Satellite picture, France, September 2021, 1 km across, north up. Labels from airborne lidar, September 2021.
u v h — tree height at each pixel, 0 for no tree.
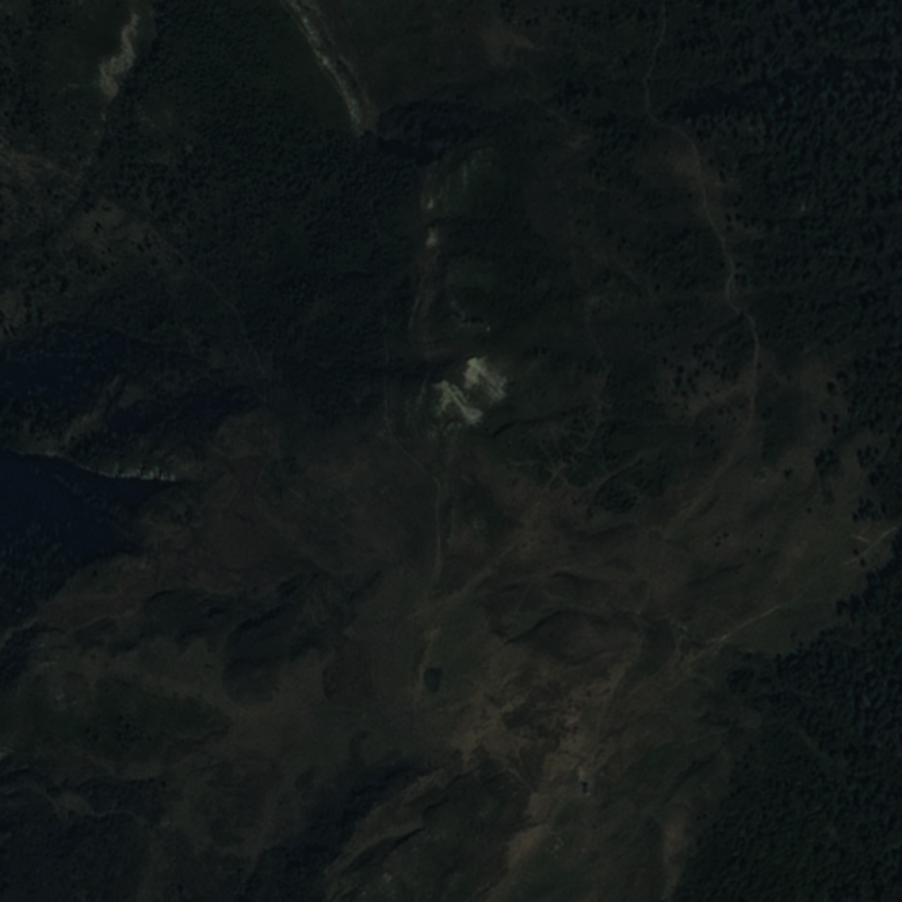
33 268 6
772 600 0
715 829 7
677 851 0
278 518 0
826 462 7
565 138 0
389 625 0
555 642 0
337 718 0
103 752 0
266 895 0
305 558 0
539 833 0
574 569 0
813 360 0
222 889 0
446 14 0
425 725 0
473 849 0
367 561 0
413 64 0
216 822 0
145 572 0
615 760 0
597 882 0
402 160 7
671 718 0
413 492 0
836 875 7
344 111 0
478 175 0
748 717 0
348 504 0
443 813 0
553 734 0
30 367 9
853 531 0
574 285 0
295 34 0
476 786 0
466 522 0
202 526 0
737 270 7
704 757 0
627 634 0
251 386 0
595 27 9
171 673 0
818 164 15
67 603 0
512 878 0
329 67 0
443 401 0
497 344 0
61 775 0
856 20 15
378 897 0
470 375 0
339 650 0
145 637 0
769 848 7
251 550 0
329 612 0
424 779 0
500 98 0
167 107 0
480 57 0
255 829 0
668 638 0
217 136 7
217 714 0
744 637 0
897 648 11
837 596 0
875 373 13
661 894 0
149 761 0
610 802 0
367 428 0
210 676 0
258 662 0
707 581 0
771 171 9
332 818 0
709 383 0
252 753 0
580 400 0
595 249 0
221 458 0
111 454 6
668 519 0
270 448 0
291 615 0
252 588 0
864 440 0
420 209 0
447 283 0
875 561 0
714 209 0
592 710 0
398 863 0
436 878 0
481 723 0
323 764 0
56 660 0
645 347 0
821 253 8
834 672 14
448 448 0
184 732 0
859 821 12
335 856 0
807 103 13
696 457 0
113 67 0
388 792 0
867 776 9
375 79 0
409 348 0
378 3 0
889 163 8
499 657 0
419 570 0
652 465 0
